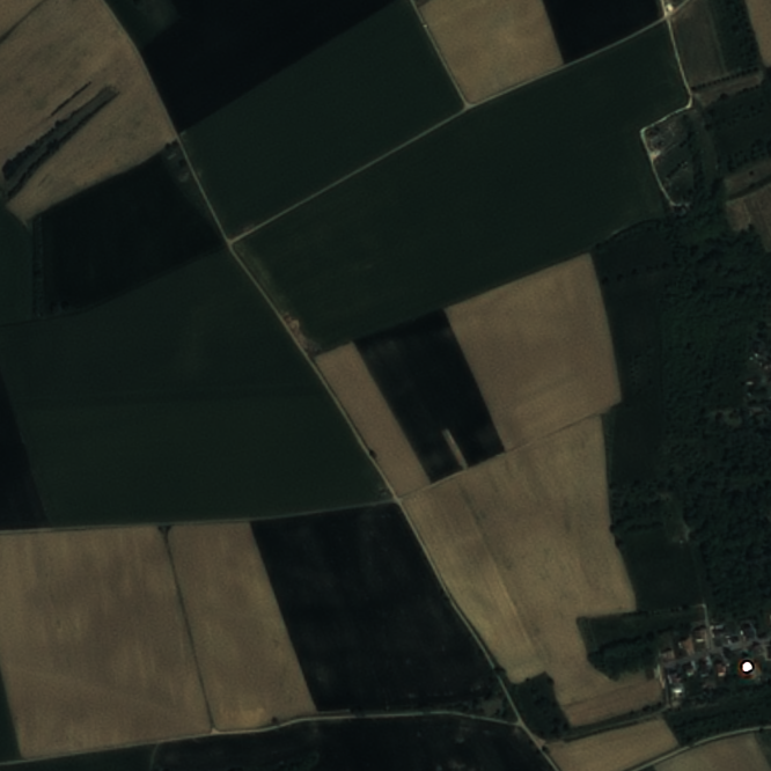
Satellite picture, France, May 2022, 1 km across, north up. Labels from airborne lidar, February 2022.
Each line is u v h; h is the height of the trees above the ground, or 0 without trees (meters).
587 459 0
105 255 0
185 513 0
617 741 0
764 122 0
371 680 0
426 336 0
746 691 8
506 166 0
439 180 0
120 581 0
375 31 0
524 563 0
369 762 0
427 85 0
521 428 0
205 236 0
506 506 0
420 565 0
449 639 0
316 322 0
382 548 0
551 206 0
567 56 0
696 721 8
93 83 0
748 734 0
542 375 0
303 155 0
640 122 0
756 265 17
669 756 0
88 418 0
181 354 0
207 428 0
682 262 8
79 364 0
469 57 0
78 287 0
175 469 0
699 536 14
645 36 0
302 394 0
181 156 0
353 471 0
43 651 0
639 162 0
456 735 0
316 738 0
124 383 0
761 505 13
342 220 0
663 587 0
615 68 0
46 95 0
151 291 0
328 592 0
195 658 0
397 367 0
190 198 0
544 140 0
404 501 0
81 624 0
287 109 0
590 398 0
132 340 0
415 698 0
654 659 19
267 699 0
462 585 0
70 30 0
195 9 0
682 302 5
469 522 0
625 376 0
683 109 0
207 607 0
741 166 9
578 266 0
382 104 0
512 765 0
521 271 0
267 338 0
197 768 0
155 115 0
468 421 0
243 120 0
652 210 0
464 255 0
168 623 0
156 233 0
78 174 0
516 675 0
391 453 0
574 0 0
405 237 0
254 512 0
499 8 0
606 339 0
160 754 0
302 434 0
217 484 0
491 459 0
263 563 0
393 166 0
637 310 0
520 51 0
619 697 0
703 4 0
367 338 0
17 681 0
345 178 0
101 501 0
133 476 0
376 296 0
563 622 0
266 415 0
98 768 0
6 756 0
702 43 0
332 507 0
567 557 0
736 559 16
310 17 0
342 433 0
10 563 0
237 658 0
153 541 0
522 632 0
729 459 7
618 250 0
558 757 0
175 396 0
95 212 0
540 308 0
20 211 0
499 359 0
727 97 9
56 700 0
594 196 0
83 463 0
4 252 0
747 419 9
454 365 0
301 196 0
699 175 6
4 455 0
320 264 0
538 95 0
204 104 0
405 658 0
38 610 0
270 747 0
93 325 0
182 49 0
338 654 0
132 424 0
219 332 0
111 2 0
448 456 0
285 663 0
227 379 0
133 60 0
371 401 0
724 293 11
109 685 0
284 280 0
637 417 0
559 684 0
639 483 6
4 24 0
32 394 0
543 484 0
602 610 0
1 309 0
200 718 0
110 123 0
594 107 0
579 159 0
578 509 0
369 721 0
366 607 0
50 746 0
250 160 0
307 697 0
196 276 0
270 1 0
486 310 0
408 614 0
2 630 0
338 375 0
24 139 0
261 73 0
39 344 0
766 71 0
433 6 0
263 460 0
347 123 0
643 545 0
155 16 0
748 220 0
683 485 15
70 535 0
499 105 0
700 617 0
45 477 0
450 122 0
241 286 0
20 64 0
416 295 0
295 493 0
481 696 0
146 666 0
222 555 0
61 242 0
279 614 0
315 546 0
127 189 0
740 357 6
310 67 0
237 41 0
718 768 0
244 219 0
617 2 0
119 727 0
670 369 6
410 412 0
